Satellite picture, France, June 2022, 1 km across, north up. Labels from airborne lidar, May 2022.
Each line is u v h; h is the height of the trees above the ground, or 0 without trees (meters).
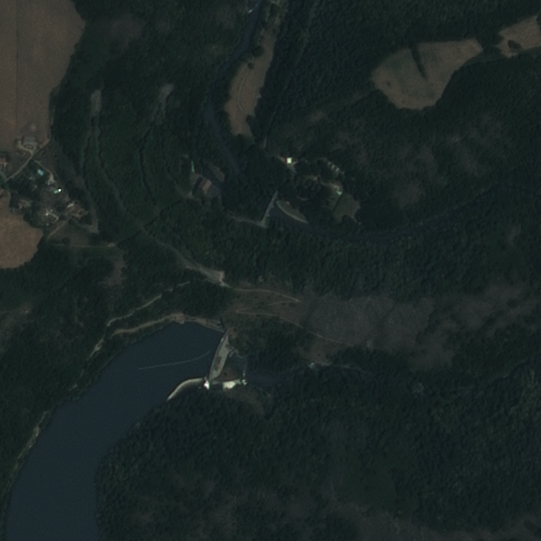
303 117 7
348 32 16
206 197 10
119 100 19
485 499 19
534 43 0
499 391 20
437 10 12
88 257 13
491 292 0
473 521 15
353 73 19
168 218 20
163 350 0
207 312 8
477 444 18
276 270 9
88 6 12
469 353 16
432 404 16
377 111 16
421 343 7
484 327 10
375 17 13
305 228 0
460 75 20
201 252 14
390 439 8
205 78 16
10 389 13
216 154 19
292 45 21
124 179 14
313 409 17
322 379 12
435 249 13
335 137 11
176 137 22
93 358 9
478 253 9
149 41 7
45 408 14
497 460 12
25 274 9
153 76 14
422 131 13
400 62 0
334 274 14
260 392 11
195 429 14
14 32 0
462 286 12
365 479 9
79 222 6
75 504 0
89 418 0
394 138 9
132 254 10
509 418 9
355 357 18
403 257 14
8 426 16
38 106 0
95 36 0
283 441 14
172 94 14
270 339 11
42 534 0
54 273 14
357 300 0
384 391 32
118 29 0
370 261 12
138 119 11
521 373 14
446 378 18
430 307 0
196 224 8
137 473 9
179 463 11
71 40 0
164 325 6
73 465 0
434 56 0
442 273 15
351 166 10
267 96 27
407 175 9
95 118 10
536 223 13
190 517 11
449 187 22
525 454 10
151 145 15
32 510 0
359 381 30
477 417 22
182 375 0
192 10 9
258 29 14
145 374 0
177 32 8
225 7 7
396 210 20
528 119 22
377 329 0
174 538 6
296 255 20
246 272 10
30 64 0
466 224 15
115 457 16
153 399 0
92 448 0
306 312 0
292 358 20
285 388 26
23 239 0
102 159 12
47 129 0
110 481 15
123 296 7
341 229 18
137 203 16
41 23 0
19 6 0
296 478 6
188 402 11
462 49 0
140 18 7
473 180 18
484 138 8
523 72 14
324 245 13
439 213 25
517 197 21
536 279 17
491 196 22
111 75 13
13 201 10
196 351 0
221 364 0
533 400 13
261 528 8
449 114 14
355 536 8
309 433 14
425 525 8
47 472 0
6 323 0
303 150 10
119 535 11
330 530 17
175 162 19
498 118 8
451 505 16
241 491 10
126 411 0
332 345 0
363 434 0
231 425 17
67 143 12
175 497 9
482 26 16
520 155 12
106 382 0
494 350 17
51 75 0
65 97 9
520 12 18
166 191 14
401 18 12
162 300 6
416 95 0
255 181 11
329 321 0
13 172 0
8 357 20
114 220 16
